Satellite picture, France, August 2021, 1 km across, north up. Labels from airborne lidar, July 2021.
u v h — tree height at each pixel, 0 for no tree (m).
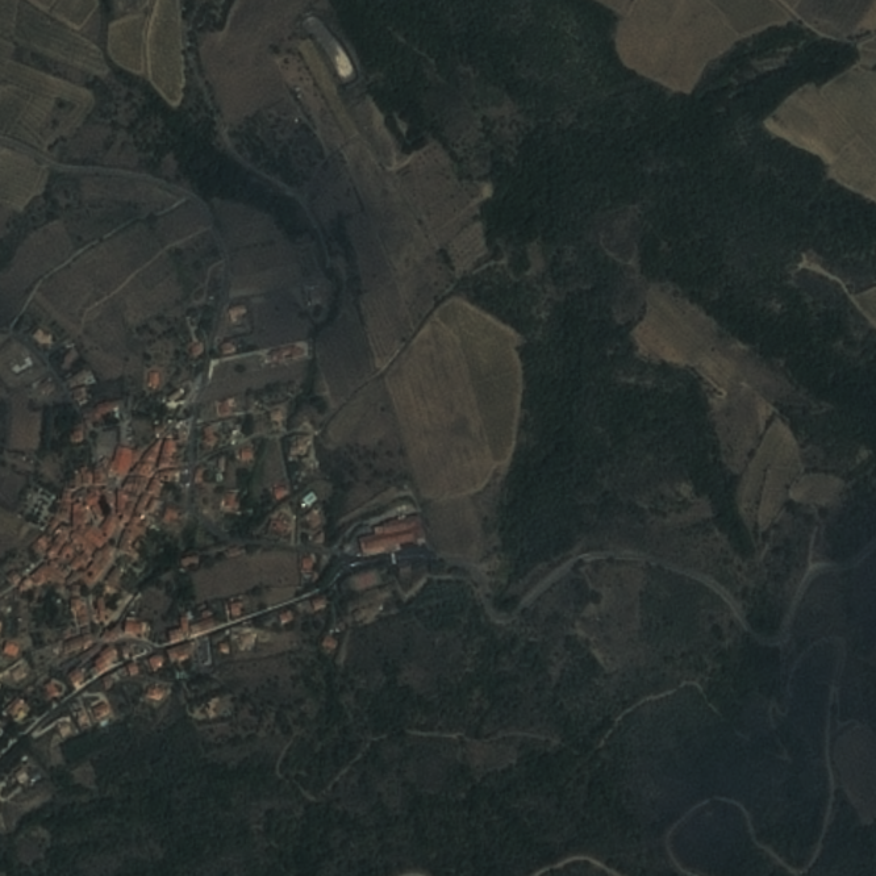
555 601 0
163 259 0
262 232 0
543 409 9
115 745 8
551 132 8
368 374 0
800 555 0
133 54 0
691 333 0
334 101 0
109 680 0
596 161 8
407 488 0
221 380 0
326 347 0
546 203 8
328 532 8
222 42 0
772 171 7
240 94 0
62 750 8
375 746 6
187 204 0
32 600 7
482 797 7
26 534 0
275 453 0
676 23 0
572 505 6
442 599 8
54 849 6
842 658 0
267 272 0
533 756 7
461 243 0
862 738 0
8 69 0
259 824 6
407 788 7
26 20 0
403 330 0
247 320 0
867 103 0
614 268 7
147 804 8
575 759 7
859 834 7
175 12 0
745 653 6
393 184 0
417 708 8
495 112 0
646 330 0
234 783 7
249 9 0
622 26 0
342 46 0
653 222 9
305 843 12
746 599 7
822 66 10
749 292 7
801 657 0
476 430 0
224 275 0
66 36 0
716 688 6
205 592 0
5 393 0
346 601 6
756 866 7
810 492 0
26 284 0
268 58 0
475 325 0
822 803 7
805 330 10
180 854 7
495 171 8
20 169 0
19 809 0
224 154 6
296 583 0
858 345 7
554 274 13
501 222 11
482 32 8
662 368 8
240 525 9
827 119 0
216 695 6
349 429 0
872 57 0
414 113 12
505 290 5
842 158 0
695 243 11
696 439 8
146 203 0
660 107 8
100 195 0
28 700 8
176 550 8
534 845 7
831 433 7
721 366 0
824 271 0
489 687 7
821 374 13
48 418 12
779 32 8
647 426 6
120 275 0
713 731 8
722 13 0
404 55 10
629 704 6
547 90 7
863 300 0
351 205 0
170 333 6
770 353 9
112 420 9
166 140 7
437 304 6
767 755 6
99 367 0
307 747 6
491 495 0
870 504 6
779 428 0
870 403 17
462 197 0
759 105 8
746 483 0
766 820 6
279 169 9
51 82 0
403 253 0
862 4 0
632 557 0
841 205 9
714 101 20
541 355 7
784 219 6
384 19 8
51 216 8
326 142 0
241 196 8
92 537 0
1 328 0
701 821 0
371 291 0
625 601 0
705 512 0
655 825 7
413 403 0
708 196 6
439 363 0
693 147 10
